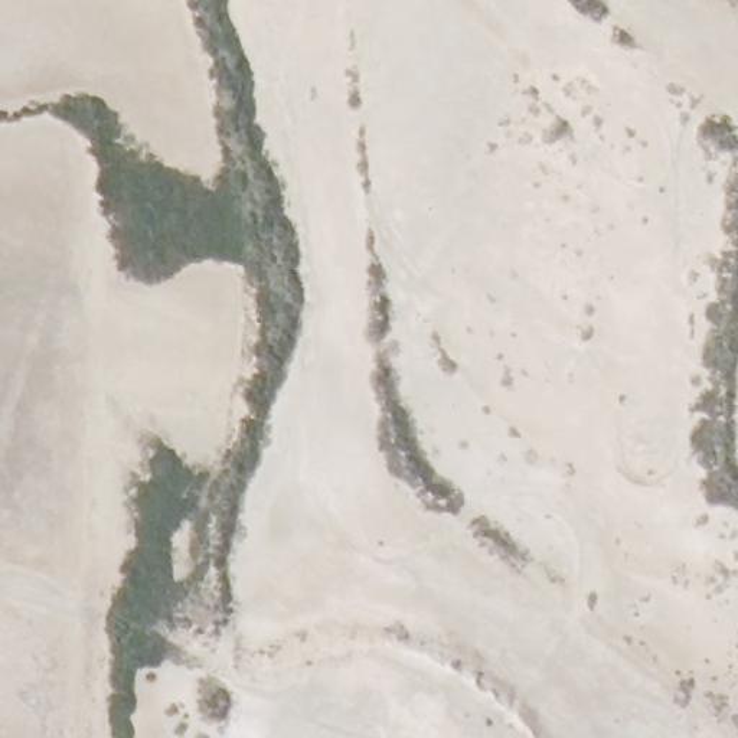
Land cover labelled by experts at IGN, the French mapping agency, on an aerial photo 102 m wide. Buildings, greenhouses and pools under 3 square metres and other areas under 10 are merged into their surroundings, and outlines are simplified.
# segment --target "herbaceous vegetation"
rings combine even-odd
[[[412,418],[398,395],[395,372],[386,363],[375,369],[375,392],[381,401],[378,447],[386,455],[386,467],[395,479],[421,487],[418,496],[424,510],[458,513],[464,496],[447,479],[441,479],[424,458]]]
[[[692,447],[706,470],[706,502],[729,504],[738,510],[738,245],[732,251],[724,251],[721,257],[712,257],[709,262],[718,280],[718,300],[706,308],[709,337],[703,343],[703,363],[709,366],[712,386],[698,398],[701,424],[692,430]]]
[[[225,721],[231,712],[231,692],[216,677],[202,677],[202,715]]]
[[[222,637],[222,628],[231,623],[231,614],[216,611],[219,577],[216,568],[208,568],[202,591],[187,594],[176,605],[173,626],[156,623],[156,631],[167,640],[176,628],[187,628],[205,637]]]

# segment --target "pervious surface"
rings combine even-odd
[[[176,579],[185,579],[190,574],[193,525],[182,522],[173,533]]]
[[[118,115],[121,130],[135,135],[135,144],[147,144],[164,167],[199,176],[205,187],[213,187],[216,173],[222,170],[222,150],[213,115],[216,78],[210,75],[213,58],[205,49],[187,0],[0,0],[0,110],[61,101],[66,95],[98,95]]]
[[[49,112],[29,115],[20,121],[0,121],[0,738],[112,738],[112,649],[107,634],[107,611],[112,605],[115,591],[124,582],[121,565],[127,554],[135,548],[135,487],[141,481],[150,481],[150,458],[156,455],[153,450],[161,444],[173,447],[187,467],[222,470],[225,450],[234,450],[239,444],[242,421],[248,418],[245,392],[251,386],[251,378],[257,375],[257,288],[245,280],[242,265],[222,259],[190,262],[161,283],[141,283],[124,274],[115,259],[115,245],[110,239],[110,219],[101,210],[98,159],[92,156],[89,138],[69,121]]]
[[[265,135],[262,147],[274,164],[277,179],[283,182],[283,208],[297,231],[300,280],[306,294],[300,334],[285,366],[285,381],[277,389],[277,398],[268,412],[265,444],[259,453],[259,464],[248,479],[239,507],[239,525],[228,556],[234,588],[231,614],[231,623],[222,628],[222,637],[205,637],[187,628],[176,628],[167,640],[170,646],[164,663],[144,666],[135,672],[133,738],[738,738],[738,510],[729,504],[706,502],[706,470],[692,447],[692,430],[701,424],[698,398],[712,386],[709,366],[703,363],[703,343],[709,337],[706,308],[718,300],[718,280],[709,262],[712,257],[721,257],[724,251],[732,251],[738,245],[738,0],[228,0],[228,14],[236,26],[239,43],[254,72],[257,124]],[[395,372],[398,395],[412,418],[424,458],[441,479],[447,479],[464,496],[458,513],[424,510],[418,496],[421,487],[395,479],[386,467],[386,455],[378,447],[381,401],[375,392],[375,369],[386,363]],[[231,712],[225,721],[202,715],[202,677],[216,677],[231,692]]]

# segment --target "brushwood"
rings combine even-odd
[[[164,167],[147,144],[135,144],[135,135],[121,130],[118,115],[98,95],[66,95],[61,101],[0,110],[0,121],[20,121],[29,115],[49,112],[69,121],[89,138],[92,156],[98,159],[101,210],[110,219],[110,239],[115,245],[115,259],[124,274],[141,283],[161,283],[190,262],[222,259],[242,265],[245,280],[257,288],[257,375],[251,378],[251,386],[245,392],[248,418],[242,421],[239,444],[234,450],[225,450],[222,470],[187,467],[173,447],[161,444],[153,450],[156,455],[150,458],[150,481],[141,481],[135,487],[135,548],[127,554],[121,565],[124,582],[115,591],[112,605],[107,611],[107,634],[112,649],[112,738],[133,738],[135,672],[144,666],[164,663],[170,646],[167,640],[156,631],[156,623],[173,626],[176,605],[187,594],[202,591],[208,568],[216,568],[219,577],[216,611],[231,614],[234,588],[228,556],[239,525],[239,507],[248,479],[259,464],[259,453],[265,444],[268,412],[277,398],[277,389],[285,381],[285,366],[300,334],[306,294],[300,280],[297,231],[283,208],[283,182],[277,179],[274,164],[262,147],[265,135],[257,124],[254,72],[239,43],[236,26],[228,14],[228,0],[187,0],[205,49],[213,58],[210,75],[216,78],[213,115],[222,150],[222,170],[216,173],[213,187],[205,187],[199,176]],[[176,579],[173,533],[182,522],[193,525],[190,574],[185,579]]]

